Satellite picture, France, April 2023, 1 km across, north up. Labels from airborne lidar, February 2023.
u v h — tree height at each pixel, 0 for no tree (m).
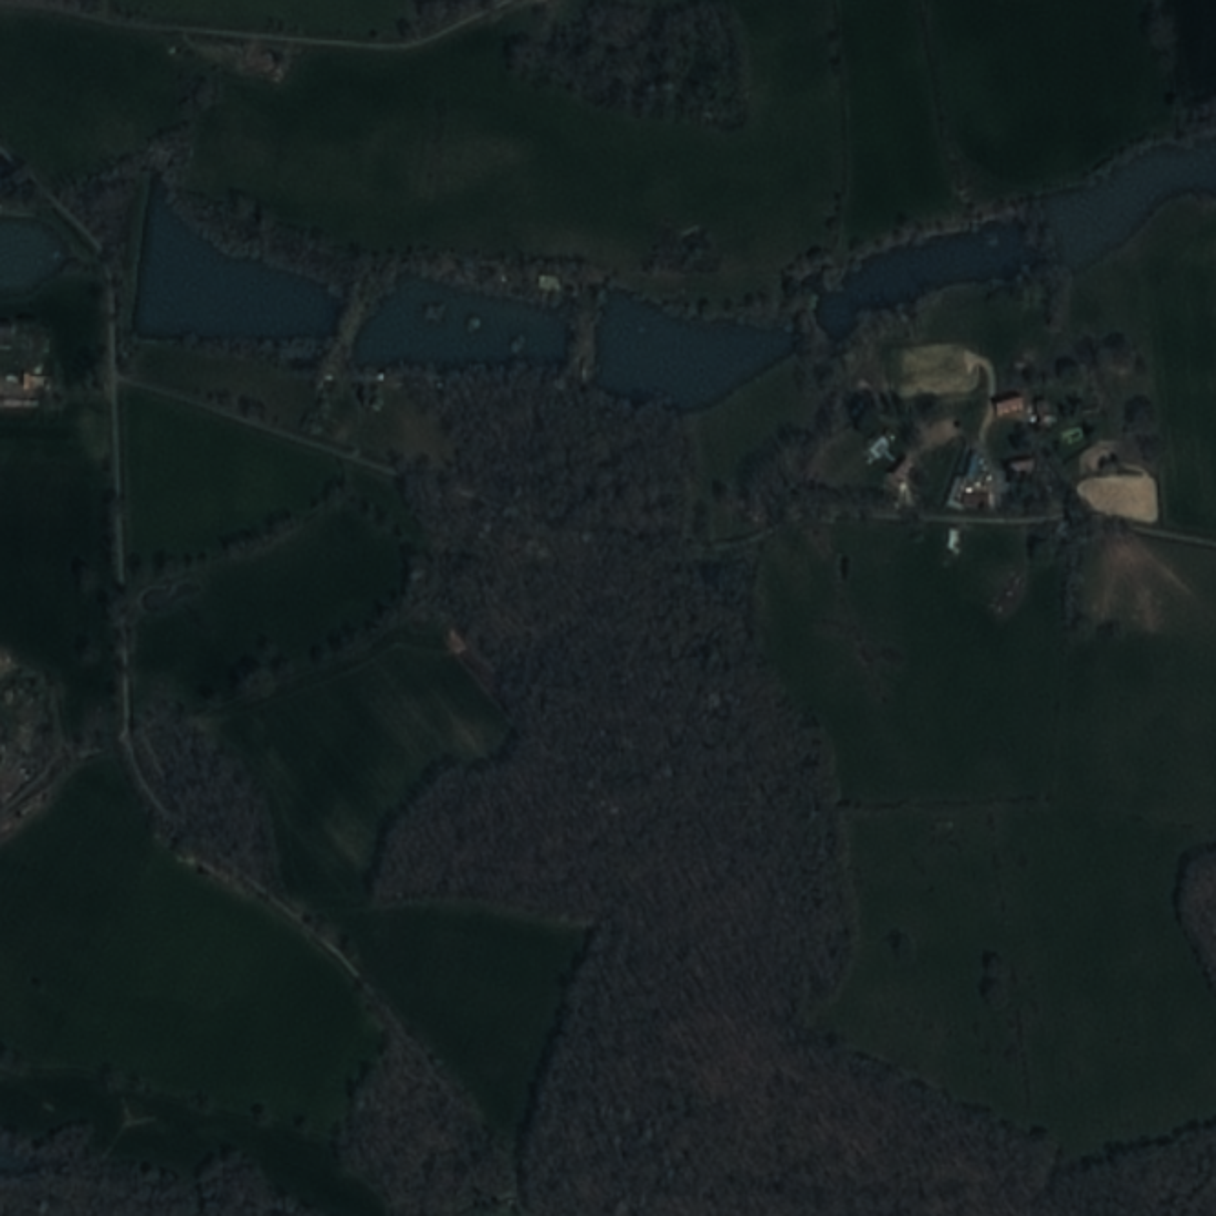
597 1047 25
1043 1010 0
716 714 22
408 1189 22
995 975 12
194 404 0
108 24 0
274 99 0
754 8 0
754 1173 13
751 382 0
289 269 7
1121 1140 0
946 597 0
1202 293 0
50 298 0
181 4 0
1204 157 0
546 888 16
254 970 0
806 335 25
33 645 0
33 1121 0
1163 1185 20
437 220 0
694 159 0
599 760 24
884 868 0
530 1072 0
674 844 21
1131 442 0
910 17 0
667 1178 26
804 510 16
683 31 23
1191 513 0
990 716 0
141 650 0
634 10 16
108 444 0
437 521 24
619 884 20
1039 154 0
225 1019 0
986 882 0
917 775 0
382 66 0
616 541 23
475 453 22
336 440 0
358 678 0
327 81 0
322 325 0
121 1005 0
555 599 15
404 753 0
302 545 0
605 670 21
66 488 0
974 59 0
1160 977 0
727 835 22
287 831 0
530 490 20
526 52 21
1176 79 0
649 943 26
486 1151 19
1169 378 0
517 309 0
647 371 0
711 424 0
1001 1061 0
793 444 21
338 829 0
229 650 0
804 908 22
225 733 0
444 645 0
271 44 0
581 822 18
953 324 0
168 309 0
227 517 0
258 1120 14
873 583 0
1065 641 0
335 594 0
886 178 0
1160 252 0
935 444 0
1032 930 0
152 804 15
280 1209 20
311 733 0
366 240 0
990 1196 20
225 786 19
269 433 0
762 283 0
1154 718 0
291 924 0
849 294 0
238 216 22
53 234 0
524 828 20
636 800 19
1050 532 10
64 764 15
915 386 0
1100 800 0
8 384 0
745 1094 24
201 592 0
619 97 17
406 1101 11
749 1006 25
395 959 0
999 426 0
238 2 0
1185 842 0
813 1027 0
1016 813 0
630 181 0
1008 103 0
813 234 0
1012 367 0
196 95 15
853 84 0
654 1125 22
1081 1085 0
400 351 0
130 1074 0
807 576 0
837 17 0
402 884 19
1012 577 0
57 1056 0
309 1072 0
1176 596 0
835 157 0
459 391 20
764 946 24
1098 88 0
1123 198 0
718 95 17
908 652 0
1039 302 25
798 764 23
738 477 0
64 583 0
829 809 20
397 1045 19
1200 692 0
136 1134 0
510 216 0
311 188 0
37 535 0
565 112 0
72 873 0
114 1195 18
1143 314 0
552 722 21
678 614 22
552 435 23
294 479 0
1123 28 0
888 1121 23
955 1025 0
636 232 0
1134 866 0
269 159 0
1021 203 8
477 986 0
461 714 0
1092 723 0
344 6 0
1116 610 0
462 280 13
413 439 0
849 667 0
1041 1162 19
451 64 0
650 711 23
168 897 0
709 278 0
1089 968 0
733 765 25
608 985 25
